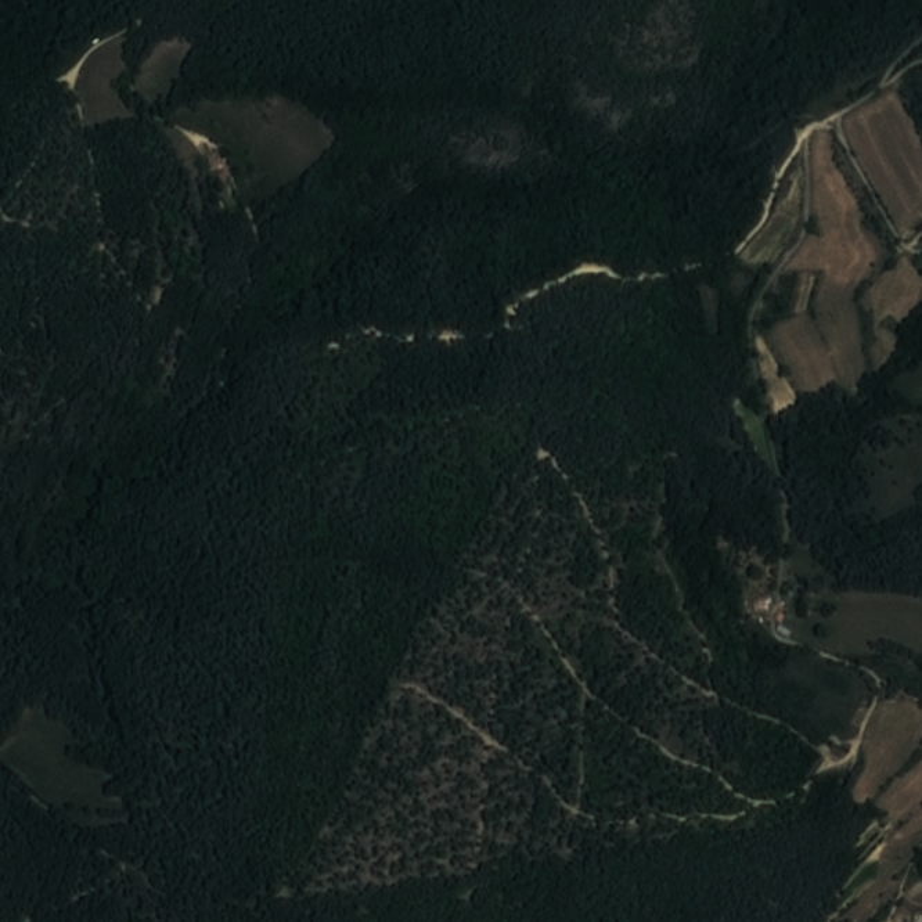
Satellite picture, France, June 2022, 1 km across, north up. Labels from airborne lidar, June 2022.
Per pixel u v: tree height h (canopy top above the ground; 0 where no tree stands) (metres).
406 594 6
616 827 17
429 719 12
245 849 10
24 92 8
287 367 10
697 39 15
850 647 0
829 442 21
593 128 14
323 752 6
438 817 18
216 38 21
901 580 16
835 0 10
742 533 11
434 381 13
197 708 11
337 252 22
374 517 12
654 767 7
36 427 9
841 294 0
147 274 17
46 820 17
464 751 14
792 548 7
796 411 15
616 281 8
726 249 8
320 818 10
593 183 16
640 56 10
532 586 15
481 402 13
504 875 9
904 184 0
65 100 9
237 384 11
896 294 0
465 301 18
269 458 14
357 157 16
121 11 22
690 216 19
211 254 18
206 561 20
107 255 12
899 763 0
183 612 13
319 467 7
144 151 13
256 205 10
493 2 22
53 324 17
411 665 15
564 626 12
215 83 21
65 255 15
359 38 20
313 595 10
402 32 28
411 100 19
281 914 12
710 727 20
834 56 12
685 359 19
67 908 17
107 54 0
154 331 16
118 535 18
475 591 11
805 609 10
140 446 13
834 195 0
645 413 18
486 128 11
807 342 0
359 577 7
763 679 16
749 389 12
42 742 0
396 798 13
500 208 8
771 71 15
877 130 0
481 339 16
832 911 10
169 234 21
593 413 12
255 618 15
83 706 26
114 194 16
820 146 0
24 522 11
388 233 22
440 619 20
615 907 12
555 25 15
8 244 8
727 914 16
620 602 12
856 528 20
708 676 13
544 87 12
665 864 13
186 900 16
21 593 22
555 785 6
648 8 10
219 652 16
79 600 20
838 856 13
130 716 22
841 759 0
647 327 6
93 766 18
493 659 16
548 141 21
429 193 18
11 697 21
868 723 0
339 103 17
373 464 10
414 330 14
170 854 12
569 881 16
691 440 13
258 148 0
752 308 10
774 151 8
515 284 11
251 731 13
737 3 14
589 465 14
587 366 13
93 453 16
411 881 13
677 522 12
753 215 6
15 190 7
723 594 12
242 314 18
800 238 0
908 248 0
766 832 16
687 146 16
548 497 16
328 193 18
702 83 18
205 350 18
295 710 8
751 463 20
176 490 28
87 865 16
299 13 29
